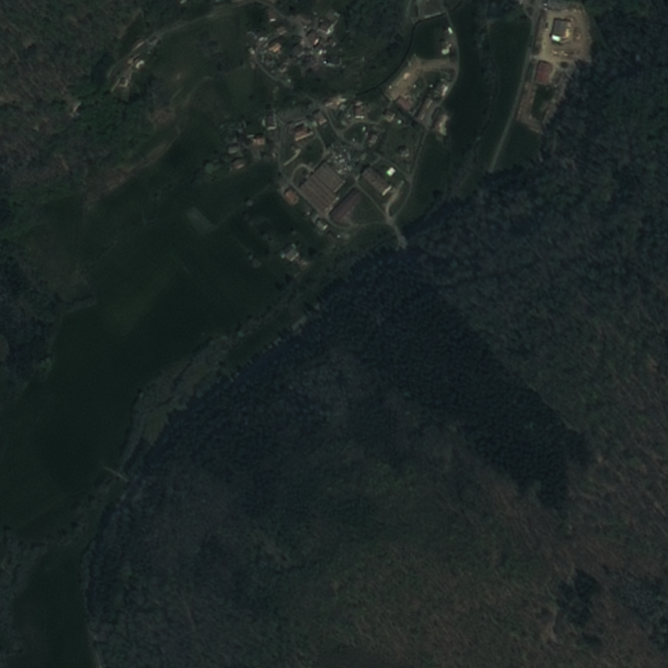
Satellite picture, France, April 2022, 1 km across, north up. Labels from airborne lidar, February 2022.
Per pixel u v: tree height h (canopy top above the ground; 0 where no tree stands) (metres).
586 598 20
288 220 0
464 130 0
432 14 0
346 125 0
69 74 27
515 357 22
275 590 17
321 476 17
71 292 0
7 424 0
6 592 21
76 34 29
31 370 25
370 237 0
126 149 25
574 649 18
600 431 28
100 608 28
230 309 0
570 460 22
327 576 19
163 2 19
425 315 25
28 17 24
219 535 19
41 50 27
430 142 0
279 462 24
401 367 24
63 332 0
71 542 14
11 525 0
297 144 0
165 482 21
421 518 14
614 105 22
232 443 26
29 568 17
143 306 0
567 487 20
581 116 20
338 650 7
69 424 0
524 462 22
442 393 29
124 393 0
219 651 23
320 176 0
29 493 0
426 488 15
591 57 0
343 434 12
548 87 0
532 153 0
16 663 0
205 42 23
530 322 24
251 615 23
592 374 26
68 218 0
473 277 22
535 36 0
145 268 0
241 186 0
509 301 25
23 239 0
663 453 29
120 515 24
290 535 19
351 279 0
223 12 0
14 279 25
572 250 29
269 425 18
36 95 27
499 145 0
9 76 28
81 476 0
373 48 0
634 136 26
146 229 0
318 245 0
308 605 20
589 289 28
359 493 17
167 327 0
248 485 18
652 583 13
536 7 0
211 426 22
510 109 0
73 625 0
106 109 25
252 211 0
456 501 12
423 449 23
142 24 0
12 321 27
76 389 0
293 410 22
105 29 32
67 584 0
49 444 0
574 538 11
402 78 0
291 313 0
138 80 0
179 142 0
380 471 17
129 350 0
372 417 15
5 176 28
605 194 19
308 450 16
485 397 27
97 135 26
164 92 27
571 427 21
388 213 0
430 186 0
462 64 0
